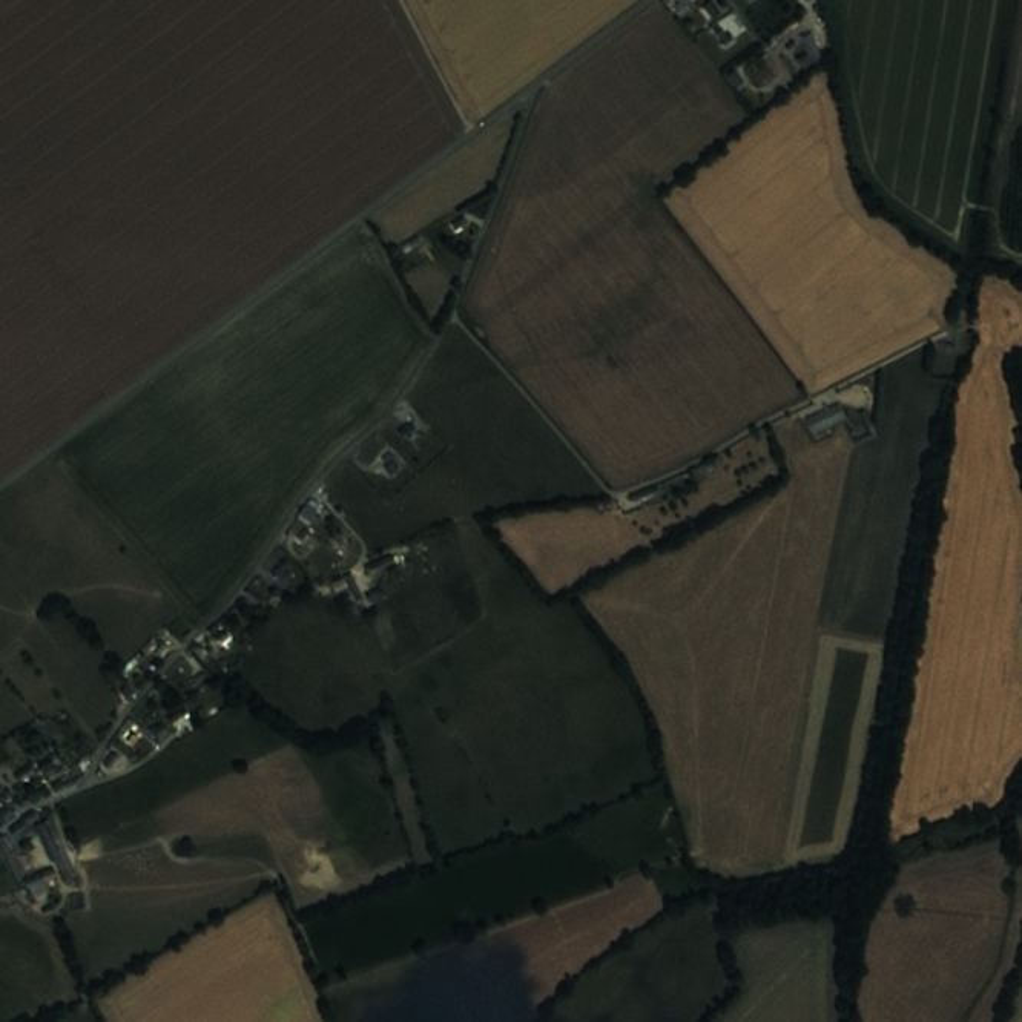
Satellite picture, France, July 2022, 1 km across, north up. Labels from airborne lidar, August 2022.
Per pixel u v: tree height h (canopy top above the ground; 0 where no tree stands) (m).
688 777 0
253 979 0
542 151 0
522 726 0
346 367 0
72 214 0
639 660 0
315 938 0
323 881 0
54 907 6
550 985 0
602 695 0
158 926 0
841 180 0
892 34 0
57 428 0
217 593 0
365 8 0
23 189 0
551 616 0
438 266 0
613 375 0
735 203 0
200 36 0
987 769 0
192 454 0
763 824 0
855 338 0
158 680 11
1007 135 0
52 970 0
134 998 0
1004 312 0
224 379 0
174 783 0
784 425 0
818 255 0
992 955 0
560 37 0
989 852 0
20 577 0
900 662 12
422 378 0
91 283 0
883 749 18
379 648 0
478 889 0
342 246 0
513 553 11
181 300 0
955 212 0
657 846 0
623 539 0
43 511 0
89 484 0
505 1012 0
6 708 0
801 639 0
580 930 0
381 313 0
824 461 0
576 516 0
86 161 0
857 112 0
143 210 0
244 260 0
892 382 0
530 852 0
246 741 0
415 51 0
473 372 0
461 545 0
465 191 0
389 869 0
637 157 0
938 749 0
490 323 0
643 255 0
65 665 0
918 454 0
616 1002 0
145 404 0
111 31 0
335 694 0
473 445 0
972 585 0
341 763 0
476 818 0
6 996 0
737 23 0
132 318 0
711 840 0
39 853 0
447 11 0
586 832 0
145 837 0
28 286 0
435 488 0
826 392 0
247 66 0
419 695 0
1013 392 14
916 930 0
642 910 0
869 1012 0
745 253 0
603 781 0
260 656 0
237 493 0
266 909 0
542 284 0
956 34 0
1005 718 0
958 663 0
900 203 0
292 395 0
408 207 0
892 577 0
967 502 0
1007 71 7
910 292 0
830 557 0
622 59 0
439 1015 0
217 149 0
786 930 0
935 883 0
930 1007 0
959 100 0
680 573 0
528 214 0
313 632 0
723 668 0
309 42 0
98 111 0
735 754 0
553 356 0
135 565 0
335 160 0
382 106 0
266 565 0
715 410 0
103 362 0
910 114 0
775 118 0
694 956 0
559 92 0
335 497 0
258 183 0
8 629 0
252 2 0
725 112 0
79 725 0
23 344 0
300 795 0
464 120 0
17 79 0
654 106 0
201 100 0
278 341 0
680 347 0
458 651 0
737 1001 17
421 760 0
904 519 0
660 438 0
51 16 0
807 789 0
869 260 0
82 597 0
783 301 0
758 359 0
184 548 0
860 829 14
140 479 0
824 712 0
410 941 0
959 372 13
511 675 0
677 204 0
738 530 0
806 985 0
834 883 31
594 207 0
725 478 0
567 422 0
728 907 18
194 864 0
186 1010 0
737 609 0
